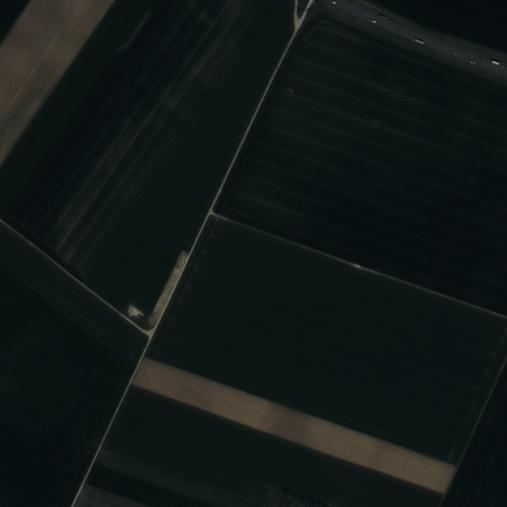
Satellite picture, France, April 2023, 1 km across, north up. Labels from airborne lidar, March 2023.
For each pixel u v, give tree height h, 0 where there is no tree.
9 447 0
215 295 0
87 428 0
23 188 0
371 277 0
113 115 0
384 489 0
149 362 0
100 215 0
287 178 0
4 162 0
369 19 0
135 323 0
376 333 0
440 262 0
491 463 0
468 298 0
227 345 0
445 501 0
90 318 0
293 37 0
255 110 0
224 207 0
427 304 0
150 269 0
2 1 0
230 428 0
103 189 0
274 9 0
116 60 0
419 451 0
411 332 0
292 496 12
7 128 0
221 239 0
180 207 0
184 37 0
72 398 0
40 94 0
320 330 0
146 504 0
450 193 0
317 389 0
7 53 0
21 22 0
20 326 0
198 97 0
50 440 0
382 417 0
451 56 0
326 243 0
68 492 0
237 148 0
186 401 0
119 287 0
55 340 0
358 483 0
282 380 0
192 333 0
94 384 0
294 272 0
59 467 0
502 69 0
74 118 0
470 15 0
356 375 0
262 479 0
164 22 0
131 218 0
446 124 0
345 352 0
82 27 0
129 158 0
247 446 0
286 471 0
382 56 0
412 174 0
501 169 0
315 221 0
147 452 0
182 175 0
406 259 0
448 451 0
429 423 0
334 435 0
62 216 0
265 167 0
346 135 0
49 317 0
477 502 0
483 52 0
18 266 0
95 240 0
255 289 0
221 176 0
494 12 0
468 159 0
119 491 0
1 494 0
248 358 0
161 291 0
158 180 0
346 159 0
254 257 0
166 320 0
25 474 0
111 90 0
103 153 0
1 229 0
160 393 0
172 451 0
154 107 0
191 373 0
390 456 0
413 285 0
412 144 0
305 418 0
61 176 0
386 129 0
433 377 0
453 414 0
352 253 0
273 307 0
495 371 0
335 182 0
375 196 0
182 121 0
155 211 0
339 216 0
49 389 0
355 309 0
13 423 0
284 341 0
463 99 0
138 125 0
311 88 0
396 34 0
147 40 0
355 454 0
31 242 0
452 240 0
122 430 0
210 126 0
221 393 0
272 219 0
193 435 0
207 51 0
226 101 0
